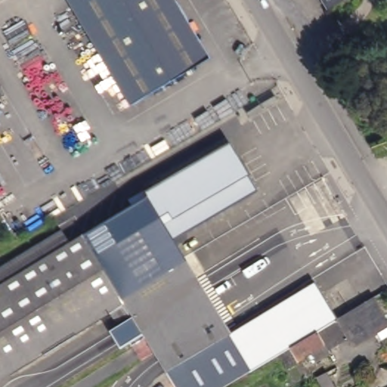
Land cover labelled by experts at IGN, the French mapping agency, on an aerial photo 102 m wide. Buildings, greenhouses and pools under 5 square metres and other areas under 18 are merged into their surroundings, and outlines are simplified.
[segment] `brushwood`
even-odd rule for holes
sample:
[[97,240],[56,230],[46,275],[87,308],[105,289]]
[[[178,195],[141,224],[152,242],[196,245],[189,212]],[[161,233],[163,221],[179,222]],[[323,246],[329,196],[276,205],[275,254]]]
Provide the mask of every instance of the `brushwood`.
[[44,233],[56,227],[56,216],[48,215],[42,221],[41,227],[35,231],[26,230],[15,236],[0,221],[0,252],[8,254],[17,246],[29,242],[36,233]]
[[333,12],[355,12],[366,0],[343,0],[331,8]]
[[361,112],[349,113],[349,118],[355,122],[364,138],[369,135],[379,135],[381,141],[387,138],[387,115],[370,113],[366,116]]

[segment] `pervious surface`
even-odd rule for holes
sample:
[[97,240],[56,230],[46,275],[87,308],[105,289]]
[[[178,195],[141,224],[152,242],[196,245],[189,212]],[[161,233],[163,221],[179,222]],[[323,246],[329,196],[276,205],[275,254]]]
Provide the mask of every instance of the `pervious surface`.
[[355,12],[361,15],[363,20],[387,20],[387,0],[366,0]]

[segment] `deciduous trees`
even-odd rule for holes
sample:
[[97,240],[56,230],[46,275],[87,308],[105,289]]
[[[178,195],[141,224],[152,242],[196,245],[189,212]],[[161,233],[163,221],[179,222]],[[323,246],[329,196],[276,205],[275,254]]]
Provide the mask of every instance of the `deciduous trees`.
[[343,38],[334,39],[325,50],[319,51],[314,57],[313,70],[308,71],[316,79],[317,86],[324,89],[325,95],[336,98],[340,106],[349,113],[361,112],[366,116],[370,113],[387,115],[387,47],[379,47],[376,42],[363,44],[357,35],[349,33]]
[[349,375],[357,382],[357,387],[373,387],[376,375],[373,367],[366,357],[358,355],[349,363]]

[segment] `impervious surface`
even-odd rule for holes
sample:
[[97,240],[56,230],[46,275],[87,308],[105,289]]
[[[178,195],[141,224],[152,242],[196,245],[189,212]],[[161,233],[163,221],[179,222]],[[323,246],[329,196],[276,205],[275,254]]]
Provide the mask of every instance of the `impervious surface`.
[[357,382],[349,375],[349,363],[358,355],[366,357],[373,367],[376,375],[373,387],[387,387],[387,328],[360,345],[340,343],[333,349],[325,345],[320,331],[311,331],[290,343],[287,351],[278,357],[283,361],[287,376],[296,387],[357,387]]
[[113,345],[109,331],[110,328],[127,320],[127,317],[135,324],[138,336],[122,343],[121,349],[127,349],[127,354],[107,364],[74,387],[94,387],[133,360],[142,360],[141,364],[110,387],[175,387],[169,376],[171,370],[183,366],[222,340],[230,339],[231,333],[237,328],[248,324],[249,320],[255,319],[310,284],[317,286],[334,316],[343,316],[363,302],[375,298],[387,319],[387,157],[375,157],[364,138],[355,122],[349,118],[349,113],[340,106],[336,98],[325,95],[324,89],[317,86],[316,79],[308,71],[313,70],[314,57],[319,51],[325,50],[334,39],[343,38],[349,33],[358,21],[363,20],[361,15],[355,12],[333,12],[331,15],[322,15],[317,0],[174,0],[187,26],[190,26],[192,32],[200,33],[200,45],[206,51],[207,60],[201,63],[197,70],[187,71],[181,82],[174,82],[172,86],[162,86],[162,91],[157,94],[128,103],[110,76],[103,59],[98,56],[94,45],[88,42],[68,44],[68,39],[80,39],[82,35],[76,32],[60,33],[60,27],[67,27],[70,24],[68,15],[71,15],[71,8],[65,0],[0,0],[0,221],[15,236],[26,230],[35,231],[41,227],[42,221],[48,215],[56,216],[56,227],[65,227],[63,233],[71,242],[76,242],[77,237],[100,227],[106,219],[127,209],[130,206],[130,198],[138,193],[147,192],[151,187],[209,156],[224,145],[233,148],[254,190],[175,236],[175,245],[184,245],[180,257],[186,257],[186,260],[166,271],[162,277],[144,289],[136,290],[124,299],[119,299],[122,316],[107,316],[104,317],[104,322],[101,319],[95,320],[94,324],[82,327],[80,336],[77,333],[67,334],[42,349],[42,357],[30,357],[26,363],[15,367],[11,375],[0,381],[0,387],[57,387],[118,349]]

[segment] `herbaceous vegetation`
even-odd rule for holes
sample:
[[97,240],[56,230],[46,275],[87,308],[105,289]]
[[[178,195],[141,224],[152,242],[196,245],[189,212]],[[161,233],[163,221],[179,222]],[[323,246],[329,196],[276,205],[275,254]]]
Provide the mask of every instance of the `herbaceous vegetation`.
[[142,360],[133,360],[94,387],[110,387],[141,364]]
[[369,135],[364,138],[375,157],[387,157],[387,138],[381,141],[379,135]]
[[358,21],[349,33],[357,35],[363,44],[376,42],[379,47],[387,47],[387,20],[363,20]]
[[283,361],[278,357],[252,370],[245,379],[233,382],[230,387],[296,387],[287,376]]
[[44,233],[36,233],[29,242],[17,246],[8,254],[0,252],[0,266],[11,262],[17,255],[53,236],[57,231],[63,233],[65,227],[56,227]]
[[127,354],[127,349],[121,349],[118,349],[57,387],[74,387],[107,364]]

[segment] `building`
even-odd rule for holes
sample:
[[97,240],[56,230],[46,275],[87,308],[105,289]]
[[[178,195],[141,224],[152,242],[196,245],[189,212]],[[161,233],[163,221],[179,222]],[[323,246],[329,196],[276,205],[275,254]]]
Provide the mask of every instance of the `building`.
[[82,35],[80,39],[68,39],[68,44],[88,42],[94,45],[98,56],[103,59],[110,76],[128,103],[157,94],[162,91],[162,86],[172,86],[174,82],[181,82],[187,71],[197,70],[201,63],[207,60],[206,51],[200,45],[200,33],[192,32],[190,26],[187,26],[174,0],[65,0],[71,8],[71,15],[68,15],[70,24],[67,27],[60,27],[60,33],[76,32]]
[[331,15],[333,12],[331,8],[343,0],[317,0],[322,15]]
[[233,382],[245,379],[252,370],[278,357],[287,351],[290,343],[311,331],[320,331],[325,345],[333,349],[340,343],[360,345],[387,328],[387,319],[375,298],[363,302],[343,316],[334,316],[317,286],[310,284],[255,319],[249,320],[248,324],[237,328],[231,333],[230,339],[222,340],[183,366],[171,370],[169,376],[175,387],[230,387]]
[[122,343],[138,336],[135,324],[127,317],[127,320],[110,328],[109,331],[113,345],[118,349],[121,349]]
[[175,236],[254,190],[233,148],[224,145],[209,156],[151,187],[147,192],[138,193],[130,198],[130,206],[127,209],[106,219],[100,227],[77,237],[76,242],[71,242],[63,233],[57,231],[53,236],[17,255],[11,262],[0,266],[0,381],[11,375],[15,367],[26,363],[30,357],[42,357],[42,349],[67,334],[77,333],[80,336],[82,327],[94,324],[95,320],[101,319],[104,322],[104,317],[107,316],[122,316],[119,299],[124,299],[136,290],[144,289],[162,277],[166,271],[186,260],[186,257],[180,257],[184,245],[175,245]]

